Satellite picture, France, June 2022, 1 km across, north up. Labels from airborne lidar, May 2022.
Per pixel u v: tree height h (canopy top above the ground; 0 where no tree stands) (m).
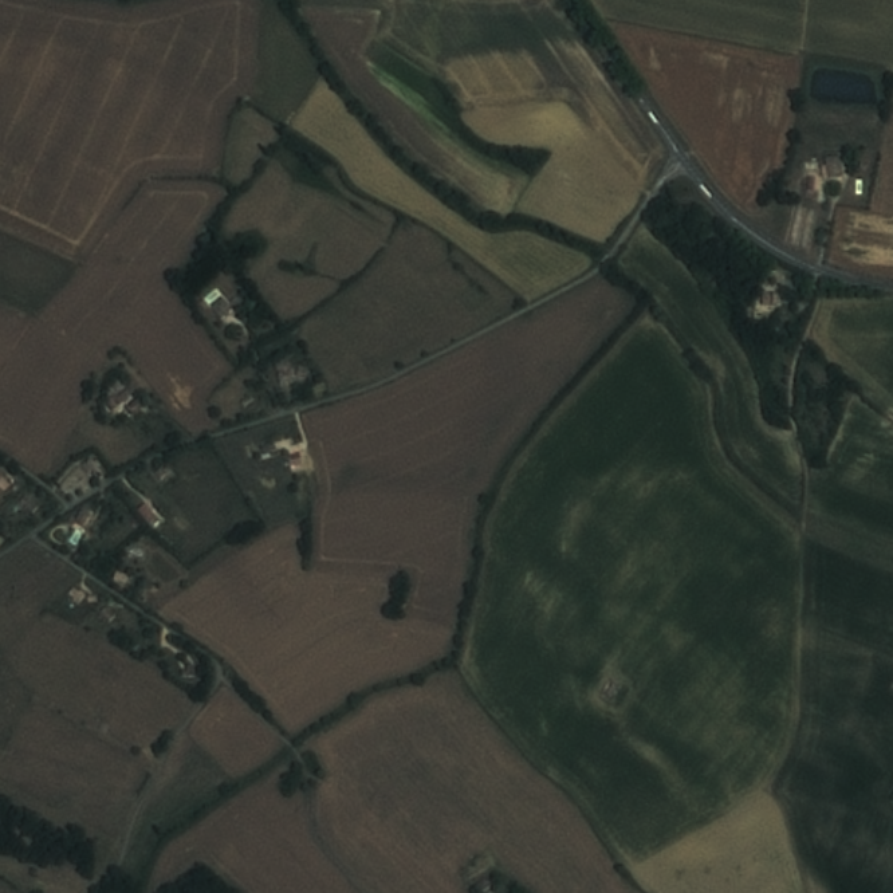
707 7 0
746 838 0
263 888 0
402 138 0
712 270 13
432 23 0
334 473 0
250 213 0
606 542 0
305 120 0
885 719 0
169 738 14
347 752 0
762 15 0
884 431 0
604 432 0
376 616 0
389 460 0
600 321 0
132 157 0
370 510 0
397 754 0
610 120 0
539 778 0
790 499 0
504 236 0
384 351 0
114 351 9
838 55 0
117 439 0
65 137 0
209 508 0
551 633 0
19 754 0
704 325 0
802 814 0
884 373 0
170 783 0
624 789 0
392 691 0
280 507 0
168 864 0
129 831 0
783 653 0
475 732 0
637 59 0
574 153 0
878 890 0
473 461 0
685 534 0
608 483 0
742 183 0
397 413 0
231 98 0
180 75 0
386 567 0
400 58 0
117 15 0
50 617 0
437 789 0
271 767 0
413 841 0
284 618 0
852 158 23
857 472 0
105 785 0
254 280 8
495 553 0
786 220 0
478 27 0
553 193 0
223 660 9
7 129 0
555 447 0
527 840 0
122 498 7
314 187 0
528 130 0
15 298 0
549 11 0
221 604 0
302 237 0
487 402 0
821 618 0
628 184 0
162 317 0
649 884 0
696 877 0
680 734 0
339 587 0
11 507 0
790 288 7
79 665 0
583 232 0
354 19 0
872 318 0
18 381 0
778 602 0
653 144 0
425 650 0
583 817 0
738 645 0
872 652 0
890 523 0
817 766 0
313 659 0
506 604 0
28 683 0
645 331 0
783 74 0
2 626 0
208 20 0
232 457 0
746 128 0
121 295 0
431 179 6
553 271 0
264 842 0
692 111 0
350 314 0
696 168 0
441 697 0
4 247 0
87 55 0
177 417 0
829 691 0
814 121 0
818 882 0
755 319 12
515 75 0
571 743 0
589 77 0
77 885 0
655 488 0
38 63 0
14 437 0
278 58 0
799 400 8
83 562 7
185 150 0
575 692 0
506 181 0
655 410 0
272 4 0
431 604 0
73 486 0
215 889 21
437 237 0
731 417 0
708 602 0
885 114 14
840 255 0
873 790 0
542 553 0
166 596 0
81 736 0
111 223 0
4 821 16
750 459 0
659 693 0
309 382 8
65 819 0
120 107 0
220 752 0
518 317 0
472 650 0
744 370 0
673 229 8
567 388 7
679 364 0
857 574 0
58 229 0
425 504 0
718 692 0
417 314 0
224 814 0
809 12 0
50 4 0
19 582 0
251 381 9
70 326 0
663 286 0
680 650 0
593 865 0
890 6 0
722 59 0
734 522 0
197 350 0
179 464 0
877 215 0
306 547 16
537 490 0
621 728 0
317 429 0
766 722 0
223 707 0
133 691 0
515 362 0
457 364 0
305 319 6
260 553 0
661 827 0
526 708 0
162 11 0
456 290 0
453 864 0
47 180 0
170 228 0
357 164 0
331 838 0
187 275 11
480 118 0
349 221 0
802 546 0
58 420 0
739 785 0
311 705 0
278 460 0
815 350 16
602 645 0
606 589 0
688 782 0
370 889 0
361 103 11
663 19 0
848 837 0
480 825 0
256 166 9
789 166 6
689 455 0
